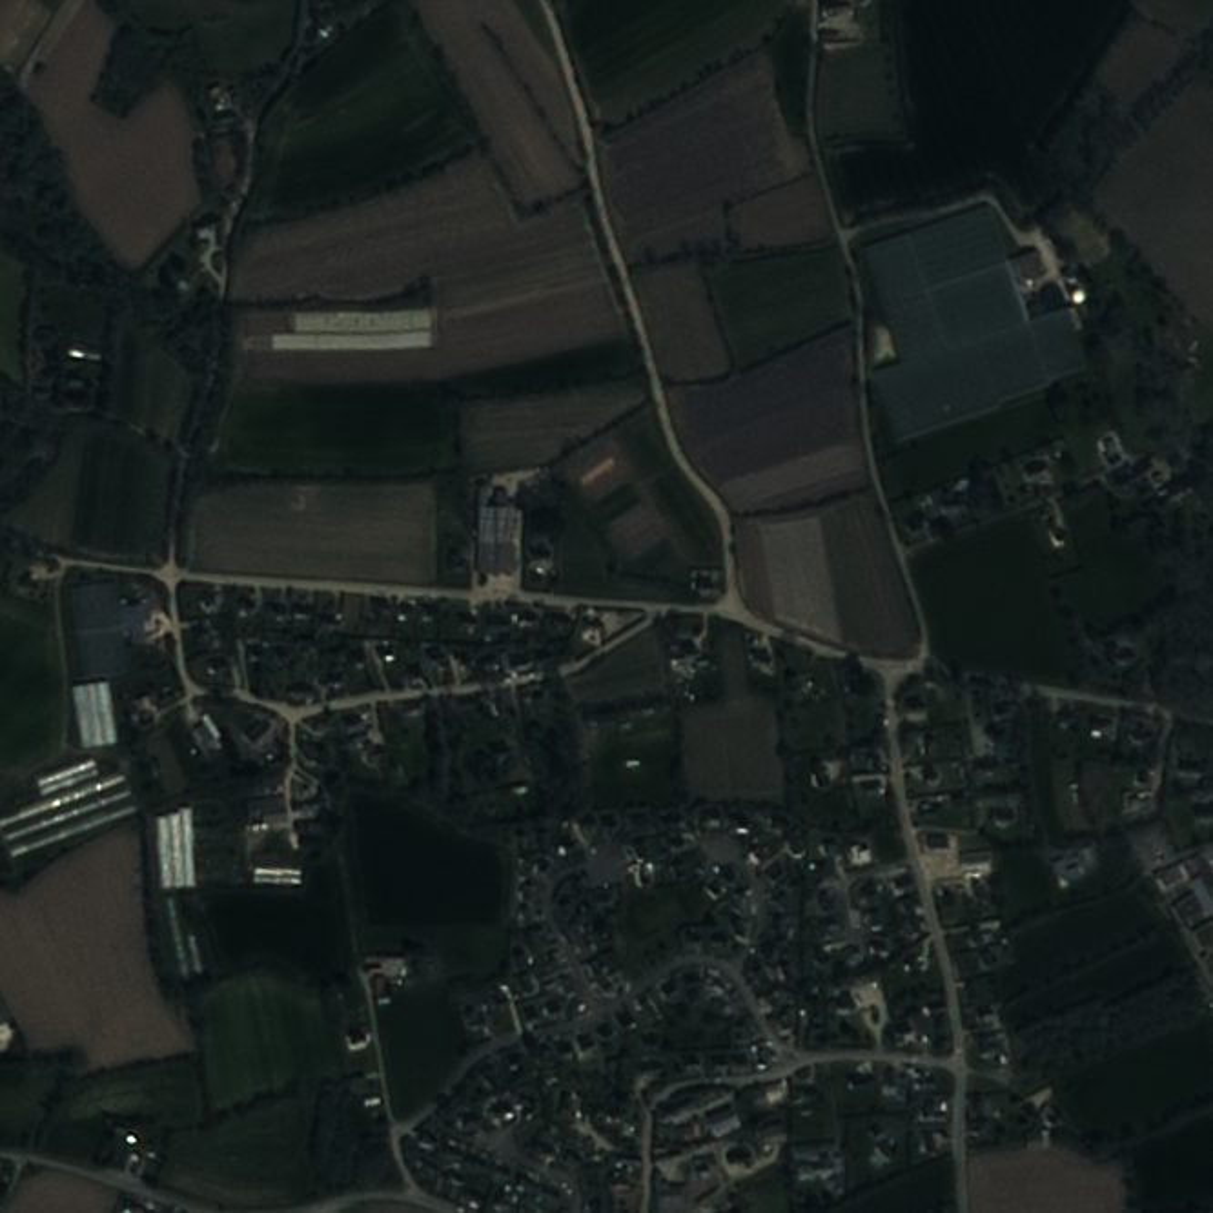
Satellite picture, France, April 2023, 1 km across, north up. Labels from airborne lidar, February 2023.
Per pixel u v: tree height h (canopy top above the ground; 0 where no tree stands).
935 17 0
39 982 0
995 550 0
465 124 0
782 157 0
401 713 10
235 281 0
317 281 0
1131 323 16
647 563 0
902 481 0
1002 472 8
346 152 0
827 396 0
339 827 9
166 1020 0
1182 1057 0
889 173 0
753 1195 0
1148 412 17
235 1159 0
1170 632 12
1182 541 20
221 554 0
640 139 0
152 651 0
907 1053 9
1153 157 0
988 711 10
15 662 0
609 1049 9
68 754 0
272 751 8
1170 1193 0
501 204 0
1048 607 0
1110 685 11
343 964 0
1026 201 0
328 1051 0
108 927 0
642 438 0
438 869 0
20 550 9
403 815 0
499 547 0
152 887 11
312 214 9
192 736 6
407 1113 0
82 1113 0
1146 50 0
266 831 0
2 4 0
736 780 0
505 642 10
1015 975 0
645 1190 0
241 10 0
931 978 0
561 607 0
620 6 0
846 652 0
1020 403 0
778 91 10
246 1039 0
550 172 0
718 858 0
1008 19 0
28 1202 0
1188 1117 10
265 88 8
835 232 0
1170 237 0
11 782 0
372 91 0
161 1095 0
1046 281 0
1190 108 0
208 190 11
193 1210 0
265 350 0
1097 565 0
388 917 0
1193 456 14
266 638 6
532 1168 0
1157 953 0
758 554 0
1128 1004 7
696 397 0
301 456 0
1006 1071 0
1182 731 18
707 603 0
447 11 0
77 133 0
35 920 0
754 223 0
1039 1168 0
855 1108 0
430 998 0
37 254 14
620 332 0
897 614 0
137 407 0
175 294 8
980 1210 0
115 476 0
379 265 0
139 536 0
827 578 0
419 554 0
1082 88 9
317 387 0
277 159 0
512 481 0
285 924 0
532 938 8
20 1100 0
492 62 0
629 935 0
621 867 0
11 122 7
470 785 23
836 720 0
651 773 0
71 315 0
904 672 0
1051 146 15
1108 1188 0
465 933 0
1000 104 0
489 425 0
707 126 0
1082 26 0
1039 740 0
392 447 0
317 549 0
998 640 0
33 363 6
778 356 10
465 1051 13
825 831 7
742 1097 6
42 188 13
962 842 0
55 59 0
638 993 0
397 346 0
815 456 0
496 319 0
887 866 0
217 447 0
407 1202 0
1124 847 14
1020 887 0
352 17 10
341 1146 11
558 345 0
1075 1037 8
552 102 0
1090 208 14
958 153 0
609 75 0
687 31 0
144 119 0
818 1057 0
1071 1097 0
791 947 0
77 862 0
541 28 0
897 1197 0
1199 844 11
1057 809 0
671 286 0
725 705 0
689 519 0
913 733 13
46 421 18
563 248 0
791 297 0
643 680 0
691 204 0
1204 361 0
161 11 0
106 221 0
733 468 0
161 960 15
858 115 0
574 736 16
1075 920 0
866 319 11
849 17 0
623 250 0
